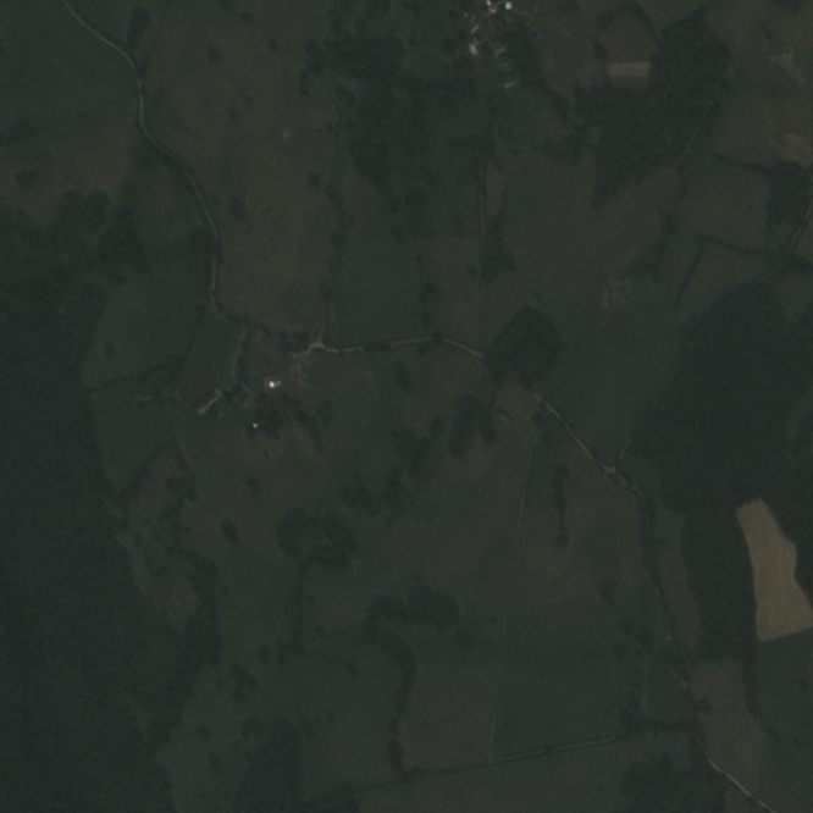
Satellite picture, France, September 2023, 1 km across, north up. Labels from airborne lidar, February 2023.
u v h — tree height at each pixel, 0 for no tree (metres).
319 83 0
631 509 0
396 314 0
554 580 0
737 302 13
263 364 0
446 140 0
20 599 9
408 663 16
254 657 0
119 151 0
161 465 0
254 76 0
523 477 0
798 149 0
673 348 0
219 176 0
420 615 12
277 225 0
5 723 21
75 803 15
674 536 0
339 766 0
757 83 0
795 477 12
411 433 12
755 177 0
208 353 0
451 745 0
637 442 12
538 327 18
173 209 0
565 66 0
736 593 11
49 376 11
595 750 0
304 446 0
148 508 0
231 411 0
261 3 0
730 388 17
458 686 0
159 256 0
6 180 0
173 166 11
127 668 8
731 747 0
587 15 0
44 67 0
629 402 0
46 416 9
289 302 0
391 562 0
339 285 0
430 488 0
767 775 0
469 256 0
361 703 0
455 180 0
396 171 0
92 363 0
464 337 0
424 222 0
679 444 13
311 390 0
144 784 7
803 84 0
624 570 0
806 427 15
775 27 0
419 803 0
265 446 0
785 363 14
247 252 0
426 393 0
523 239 0
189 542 0
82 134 0
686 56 10
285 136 0
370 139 15
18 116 0
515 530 0
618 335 0
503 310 0
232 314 8
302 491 0
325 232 0
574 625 0
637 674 7
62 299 8
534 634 0
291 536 21
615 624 0
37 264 9
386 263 0
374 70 14
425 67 0
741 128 0
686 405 7
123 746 9
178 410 0
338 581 0
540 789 0
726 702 0
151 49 0
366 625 7
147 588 0
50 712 18
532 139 0
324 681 0
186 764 0
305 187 0
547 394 0
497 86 0
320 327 0
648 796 8
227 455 0
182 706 11
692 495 17
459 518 0
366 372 0
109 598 7
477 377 0
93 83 0
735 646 15
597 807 0
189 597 0
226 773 0
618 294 0
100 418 0
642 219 0
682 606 0
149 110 0
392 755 10
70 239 0
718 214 0
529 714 0
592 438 0
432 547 0
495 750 0
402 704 11
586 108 7
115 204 0
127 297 0
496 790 0
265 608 0
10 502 13
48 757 7
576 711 0
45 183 0
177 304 0
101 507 11
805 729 0
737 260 0
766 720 0
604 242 0
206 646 9
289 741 18
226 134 0
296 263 0
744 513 0
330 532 18
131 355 0
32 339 8
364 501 19
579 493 0
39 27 0
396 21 0
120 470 0
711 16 0
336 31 12
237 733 0
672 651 0
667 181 0
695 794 0
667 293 0
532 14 0
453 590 0
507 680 0
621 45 0
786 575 0
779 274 0
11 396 16
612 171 6
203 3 0
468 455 0
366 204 0
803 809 0
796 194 0
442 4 0
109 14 0
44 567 10
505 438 0
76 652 11
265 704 0
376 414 0
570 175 0
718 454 19
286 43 0
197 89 0
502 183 0
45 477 13
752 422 15
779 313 11
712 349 19
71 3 0
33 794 9
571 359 0
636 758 0
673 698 0
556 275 0
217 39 0
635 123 10
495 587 0
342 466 0
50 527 6
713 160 0
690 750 6
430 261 0
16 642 21
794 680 0
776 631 0
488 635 0
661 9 0
